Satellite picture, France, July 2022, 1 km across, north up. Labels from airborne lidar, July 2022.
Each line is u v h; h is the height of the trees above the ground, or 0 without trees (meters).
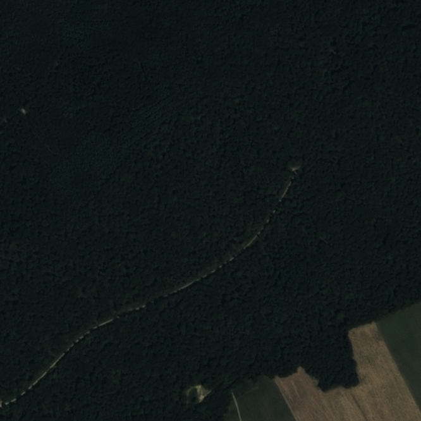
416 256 13
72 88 19
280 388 0
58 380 17
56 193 19
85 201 17
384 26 26
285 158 28
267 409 0
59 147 16
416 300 23
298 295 13
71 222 15
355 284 20
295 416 0
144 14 15
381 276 22
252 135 18
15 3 12
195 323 28
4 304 19
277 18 23
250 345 19
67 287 19
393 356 0
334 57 25
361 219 22
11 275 18
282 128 20
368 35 26
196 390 0
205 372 29
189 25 21
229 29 15
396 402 0
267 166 21
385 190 20
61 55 13
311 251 21
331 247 22
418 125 21
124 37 15
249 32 19
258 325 24
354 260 20
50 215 19
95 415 18
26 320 20
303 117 23
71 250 21
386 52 27
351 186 23
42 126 17
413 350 0
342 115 21
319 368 15
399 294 26
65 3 11
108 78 21
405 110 19
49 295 18
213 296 24
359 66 24
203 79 17
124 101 20
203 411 29
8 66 16
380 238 26
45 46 17
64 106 12
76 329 18
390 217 22
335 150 25
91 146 13
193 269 18
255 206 26
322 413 0
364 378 0
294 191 20
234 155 27
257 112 24
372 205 21
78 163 19
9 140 26
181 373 20
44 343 20
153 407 25
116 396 14
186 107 15
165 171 22
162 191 20
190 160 25
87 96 17
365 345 0
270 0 26
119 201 19
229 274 25
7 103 14
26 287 18
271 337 16
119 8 16
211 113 24
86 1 17
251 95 19
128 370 23
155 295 20
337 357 22
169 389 18
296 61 27
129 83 16
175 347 23
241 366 23
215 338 16
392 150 23
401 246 28
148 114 12
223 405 19
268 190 23
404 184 19
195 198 19
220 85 13
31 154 17
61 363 17
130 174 18
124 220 20
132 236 25
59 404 23
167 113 9
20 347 20
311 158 21
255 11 24
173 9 19
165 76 16
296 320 24
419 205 28
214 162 20
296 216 19
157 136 18
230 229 14
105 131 16
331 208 20
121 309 19
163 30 19
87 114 20
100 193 18
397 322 0
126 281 30
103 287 17
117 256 24
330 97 24
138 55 18
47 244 17
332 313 25
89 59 20
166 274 23
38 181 19
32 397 21
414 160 19
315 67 24
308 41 20
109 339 18
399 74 26
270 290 17
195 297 22
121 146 17
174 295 17
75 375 19
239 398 0
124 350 20
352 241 20
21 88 24
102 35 24
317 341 27
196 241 18
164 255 23
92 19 12
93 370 9
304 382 0
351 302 14
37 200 21
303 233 20
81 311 22
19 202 20
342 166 25
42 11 12
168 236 21
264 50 22
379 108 18
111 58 25
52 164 16
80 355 21
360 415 0
